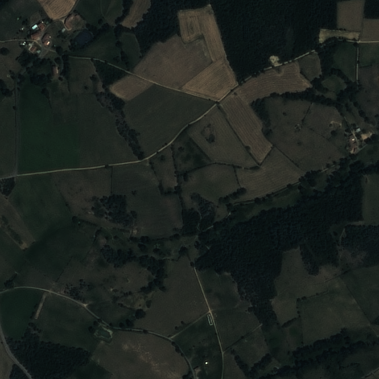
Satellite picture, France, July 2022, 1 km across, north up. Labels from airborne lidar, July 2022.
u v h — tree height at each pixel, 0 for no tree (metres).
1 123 0
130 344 0
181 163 0
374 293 0
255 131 0
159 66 0
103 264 0
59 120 0
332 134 11
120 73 8
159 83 0
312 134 0
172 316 0
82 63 0
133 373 0
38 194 0
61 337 0
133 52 0
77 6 0
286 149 0
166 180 0
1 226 0
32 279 0
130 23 0
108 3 0
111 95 8
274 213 20
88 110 0
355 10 0
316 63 0
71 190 0
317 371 0
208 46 0
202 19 0
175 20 9
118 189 0
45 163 0
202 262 10
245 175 0
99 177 0
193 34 0
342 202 15
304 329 0
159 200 0
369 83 0
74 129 0
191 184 0
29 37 10
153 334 0
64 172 0
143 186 0
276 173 0
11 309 0
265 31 9
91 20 0
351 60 0
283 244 17
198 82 0
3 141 0
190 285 0
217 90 0
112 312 0
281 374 23
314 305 0
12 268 0
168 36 12
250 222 14
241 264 13
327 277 0
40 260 0
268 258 15
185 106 0
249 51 8
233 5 13
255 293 9
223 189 0
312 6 14
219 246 15
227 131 0
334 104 7
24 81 14
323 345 24
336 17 8
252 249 14
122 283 0
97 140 0
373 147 0
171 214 0
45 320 0
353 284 0
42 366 13
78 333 0
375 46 0
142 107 0
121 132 6
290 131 0
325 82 0
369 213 0
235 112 0
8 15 0
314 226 15
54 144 0
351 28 0
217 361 0
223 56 0
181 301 0
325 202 14
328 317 0
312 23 8
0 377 0
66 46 0
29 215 0
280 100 0
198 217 6
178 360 0
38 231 0
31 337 11
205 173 0
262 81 0
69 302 0
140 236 0
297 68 0
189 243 0
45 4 0
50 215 0
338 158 0
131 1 15
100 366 0
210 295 0
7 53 13
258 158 0
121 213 12
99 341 0
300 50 8
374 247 7
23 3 0
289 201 0
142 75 0
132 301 0
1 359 0
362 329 0
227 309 0
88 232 0
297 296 0
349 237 10
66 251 0
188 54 0
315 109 0
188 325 0
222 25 7
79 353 9
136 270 0
